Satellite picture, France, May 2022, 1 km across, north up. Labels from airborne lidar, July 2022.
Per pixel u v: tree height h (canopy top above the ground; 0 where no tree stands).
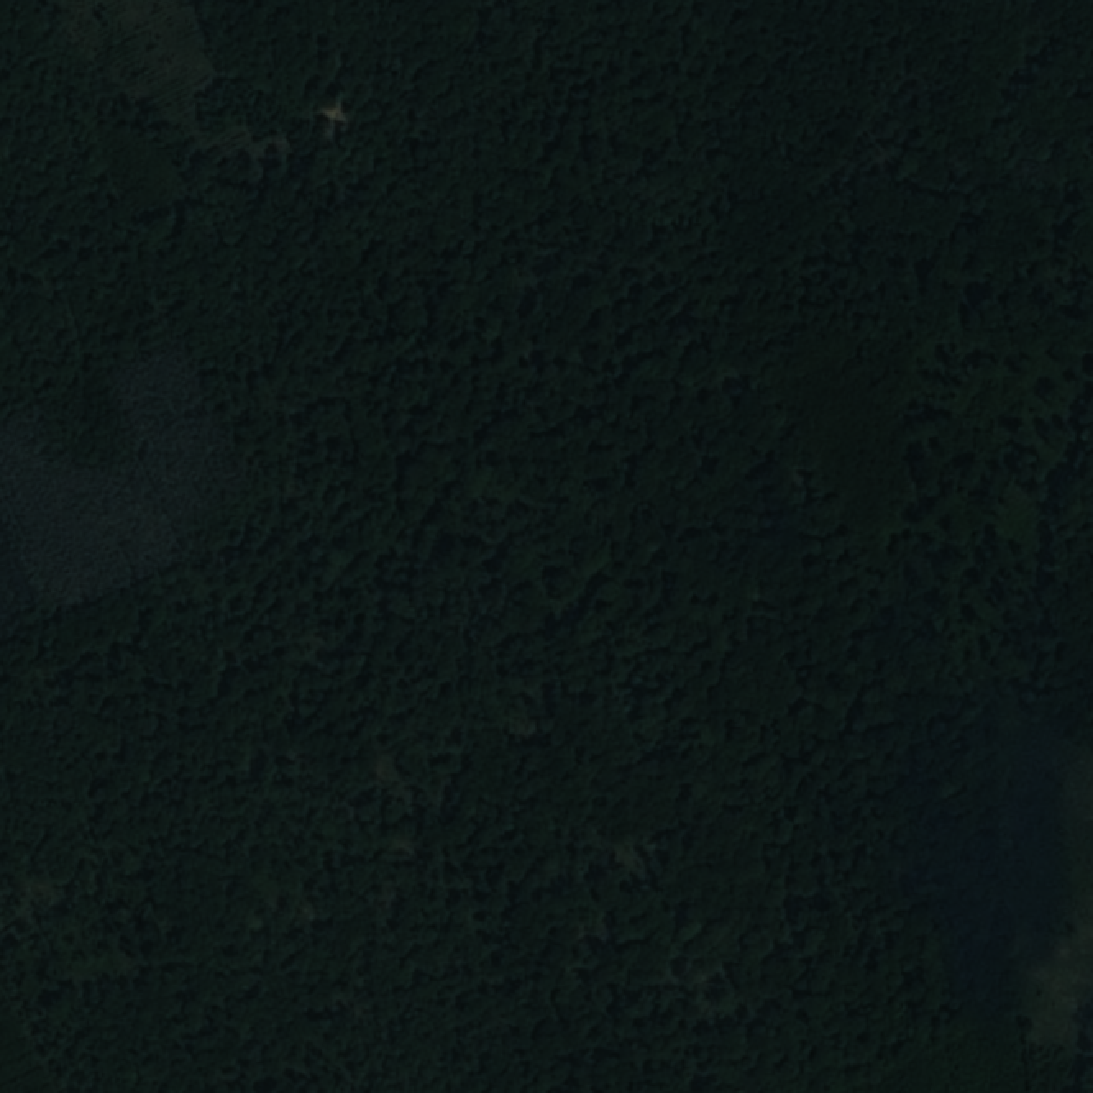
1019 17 28
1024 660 26
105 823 20
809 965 26
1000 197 34
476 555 30
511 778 27
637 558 32
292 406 25
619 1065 28
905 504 6
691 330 32
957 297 28
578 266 27
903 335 12
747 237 29
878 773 27
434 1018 19
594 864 28
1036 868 18
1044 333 32
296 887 20
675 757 27
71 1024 22
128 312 13
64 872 20
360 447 33
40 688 15
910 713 30
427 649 23
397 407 22
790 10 25
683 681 35
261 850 21
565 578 30
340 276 12
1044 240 33
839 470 16
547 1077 26
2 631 13
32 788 17
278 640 28
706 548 27
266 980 20
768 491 30
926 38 25
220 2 23
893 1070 10
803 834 30
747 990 28
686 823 24
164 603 22
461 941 21
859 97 27
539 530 22
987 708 11
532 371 20
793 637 31
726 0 25
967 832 32
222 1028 20
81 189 18
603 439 27
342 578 26
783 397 15
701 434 28
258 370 8
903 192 32
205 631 23
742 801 23
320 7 22
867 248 25
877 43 23
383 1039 18
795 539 28
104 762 23
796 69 28
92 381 15
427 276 10
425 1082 16
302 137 17
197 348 20
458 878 25
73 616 22
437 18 22
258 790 21
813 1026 27
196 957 22
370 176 24
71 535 17
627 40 25
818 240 29
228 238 19
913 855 30
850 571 26
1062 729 24
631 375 24
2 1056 7
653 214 25
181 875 19
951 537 28
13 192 16
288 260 22
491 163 24
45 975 17
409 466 33
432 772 18
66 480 15
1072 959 0
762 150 24
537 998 23
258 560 21
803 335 26
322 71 22
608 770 26
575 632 32
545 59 23
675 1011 24
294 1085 26
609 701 31
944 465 6
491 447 31
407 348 18
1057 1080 9
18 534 16
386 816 27
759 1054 26
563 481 28
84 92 20
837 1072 23
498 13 22
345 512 29
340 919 18
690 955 32
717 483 29
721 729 32
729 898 24
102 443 15
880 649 29
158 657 21
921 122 29
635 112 25
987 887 27
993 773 27
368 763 27
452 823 28
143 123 15
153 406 15
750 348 18
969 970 29
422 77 20
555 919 33
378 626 25
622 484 10
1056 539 29
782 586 25
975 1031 10
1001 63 27
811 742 26
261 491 14
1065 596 27
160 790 14
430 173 23
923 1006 25
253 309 23
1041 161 33
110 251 20
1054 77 28
